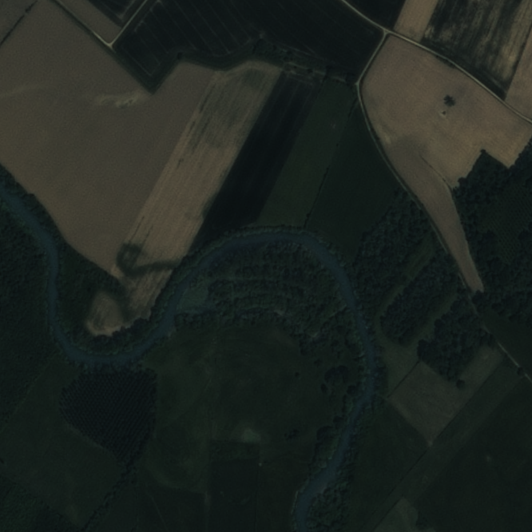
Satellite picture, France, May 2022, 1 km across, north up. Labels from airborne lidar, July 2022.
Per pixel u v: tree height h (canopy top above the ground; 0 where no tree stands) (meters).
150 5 0
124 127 0
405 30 0
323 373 0
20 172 0
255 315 13
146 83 0
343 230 0
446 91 0
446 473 0
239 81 0
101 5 0
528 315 20
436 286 25
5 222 17
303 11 0
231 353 0
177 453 0
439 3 0
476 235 24
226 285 15
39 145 0
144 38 0
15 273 17
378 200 0
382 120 0
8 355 17
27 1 0
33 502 14
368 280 21
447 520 0
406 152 0
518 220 11
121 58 0
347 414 14
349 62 0
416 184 0
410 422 0
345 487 12
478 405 0
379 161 0
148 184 0
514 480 0
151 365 0
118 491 13
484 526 0
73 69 0
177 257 0
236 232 9
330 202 0
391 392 0
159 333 0
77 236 0
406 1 0
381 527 0
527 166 23
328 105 0
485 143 0
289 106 0
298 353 0
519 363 0
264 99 0
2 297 15
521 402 0
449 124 0
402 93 0
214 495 0
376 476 0
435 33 0
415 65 0
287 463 0
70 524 11
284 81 0
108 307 0
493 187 11
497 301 16
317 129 0
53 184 0
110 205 0
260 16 0
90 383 23
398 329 21
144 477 0
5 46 0
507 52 0
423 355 26
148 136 0
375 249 19
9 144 0
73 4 0
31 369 16
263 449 0
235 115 0
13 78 0
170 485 0
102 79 0
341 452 0
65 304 9
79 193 0
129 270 0
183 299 0
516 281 22
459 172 0
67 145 0
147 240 0
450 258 19
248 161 0
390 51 0
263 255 10
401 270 19
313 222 0
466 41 0
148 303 0
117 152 0
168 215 0
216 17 0
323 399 0
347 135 0
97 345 21
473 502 0
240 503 0
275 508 0
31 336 17
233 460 0
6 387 18
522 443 0
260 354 0
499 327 0
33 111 0
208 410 0
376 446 0
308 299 13
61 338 0
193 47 0
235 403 0
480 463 0
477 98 0
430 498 0
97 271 9
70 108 0
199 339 0
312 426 0
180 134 0
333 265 0
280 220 0
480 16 0
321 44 0
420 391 0
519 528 0
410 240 17
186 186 0
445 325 22
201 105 0
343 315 17
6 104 0
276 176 0
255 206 0
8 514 13
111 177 0
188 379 0
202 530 0
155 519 0
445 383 0
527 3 0
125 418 28
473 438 0
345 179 0
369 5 0
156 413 16
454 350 9
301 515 0
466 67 0
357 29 0
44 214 17
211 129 0
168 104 0
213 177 0
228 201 0
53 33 0
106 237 0
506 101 0
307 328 9
